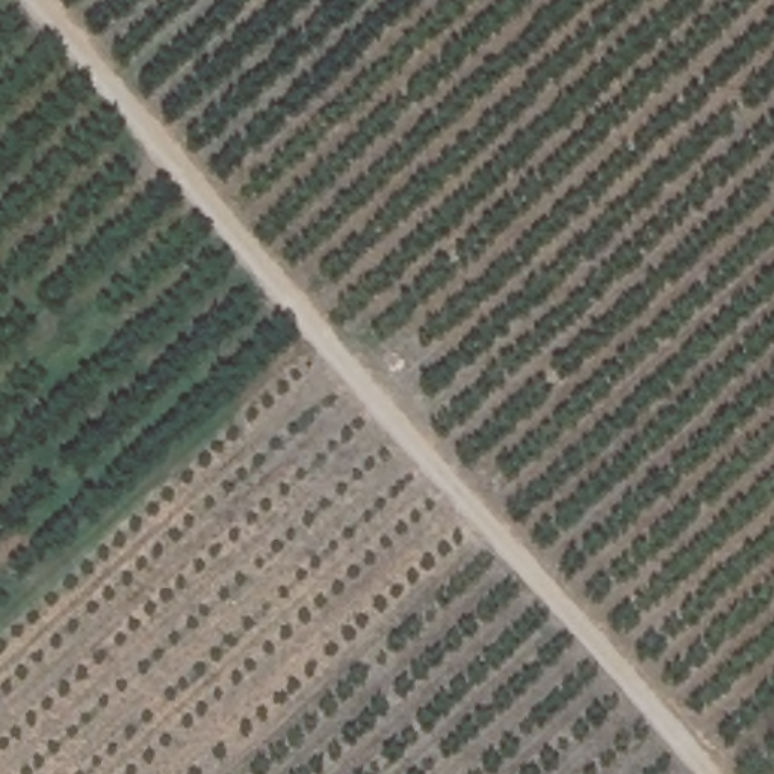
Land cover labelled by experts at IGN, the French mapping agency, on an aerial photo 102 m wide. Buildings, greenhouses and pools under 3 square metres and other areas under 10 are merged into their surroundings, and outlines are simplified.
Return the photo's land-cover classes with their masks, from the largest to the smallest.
<instances>
[{"label":"deciduous trees","instance_id":"1","mask_svg":"<svg viewBox=\"0 0 774 774\"><path fill-rule=\"evenodd\" d=\"M360 399L348 390V384L327 366L324 357H317L311 342L299 336L293 311L266 299L251 272L215 233L212 221L184 200L181 187L172 181L166 169H160L142 151V145L127 130V121L118 112V106L97 94L91 73L70 60L60 33L33 24L18 0H0V653L12 638H18L30 623L39 620V614L48 605L57 602V596L85 581L97 562L118 550L127 538H133L142 520L157 514L160 505L172 502L175 508H181L184 526H194L206 517L224 523H257L251 508L254 490H263L269 484L278 487L281 496H287L290 487L284 484V469H293L296 478L317 475L336 447H345L354 432L363 429L366 417ZM73 18H79L91 30L97 48L109 60H115V70L124 79V85L133 88L154 115H163L166 127L187 145L194 163L218 175L215 187L221 200L236 209L239 221L266 245L272 257L284 260L290 281L311 296L314 308L333 324L339 342L351 354L360 357L366 348H378L396 330H402L405 336H420V345H429L432 339L441 342L447 354L420 369V390L426 393V411L432 414L429 426L438 435V454L450 463L460 460V475L466 478L469 490L478 493L493 514L508 517L517 538L535 544L532 550L538 562L553 577H559L565 596H571L593 623L611 626L614 647L629 659L638 656L635 668L641 680L650 689H656L659 701L671 711L674 720L683 723L692 741L711 756V762L723 774H774V0H63ZM414 475H402L381 499H375L363 511L366 523L378 517L411 484ZM523 584L511 571V565L499 559L493 550H478L460 571L450 574L447 584L429 587L423 596H417L408 614L399 620V626L387 632V644L396 650L399 662V674L393 680L399 695L411 692V686L420 677L429 674V668H435L444 659V653L457 650L463 638L475 635L478 623L493 620L496 611L517 596ZM550 614L538 602L526 608L523 617L514 620L493 644H487L478 659H472L460 674H454L447 689H438L423 707H417L420 726L432 729L435 720L450 711V704H457L475 683H481L490 668L502 665ZM574 641V635L565 629L544 641L532 662H526L505 683H499L487 704H475V711L463 714L457 729L441 738V753L454 756L496 714L511 707V701L523 695L526 686L535 683L541 671L550 668L559 659V653ZM599 674V668L596 659H590L577 662V668L565 674L562 686L547 692V698L529 711V717L520 723L523 732H535L556 711H562ZM206 674L203 662H194L190 671H184L172 686H166L163 698L181 695ZM366 677V665L351 662L336 683L339 695L348 698L354 686ZM387 714L384 695L375 692L354 720L342 726L348 744L366 735L378 717ZM620 695V692L599 695L574 723V738L584 741L596 726L605 723V717L617 707ZM317 720L311 714H302L293 717V723L281 729L275 741H269L251 756L254 774H266L269 765L281 762L287 750L299 747L302 735L314 729ZM653 732L641 714L614 735V744L608 750H602L593 762L584 765V774H596V768H611L617 756L629 750V741H644ZM417 741L414 729L405 726L384 741L387 759H399L408 744ZM520 747L514 735L505 732L499 747L484 750L487 771H496ZM559 765V756L553 747L544 744L541 759L520 765V774H547Z\"/></svg>","mask_w":774,"mask_h":774},{"label":"plowed land","instance_id":"2","mask_svg":"<svg viewBox=\"0 0 774 774\"><path fill-rule=\"evenodd\" d=\"M402 475H414L411 484L378 517L366 523L363 511L375 499H381ZM284 484L290 487L287 496H281L278 487L269 484L263 490H254L251 508L257 523H224L206 517L194 526H184L181 508H175L172 502L160 505L157 514L142 520L133 538H127L118 550L97 562L85 581L57 596V602L48 605L39 614V620L30 623L18 638H12L0 653V774H254L251 756L269 741H275L281 729L293 723V717L302 714L311 695H320L327 683H336L351 662L366 665V677L375 683L381 677L393 680L399 674V662L396 650L387 644V632L399 626V620L408 614L417 596H423L429 587L447 584L450 574L460 571L478 550L463 541V514L450 505V499L435 502L438 487L417 472L414 460L393 444L381 423L366 417L363 429L354 432L345 447H336L317 475L296 478L293 469H284ZM194 662H203L206 674L181 695L163 698L166 686H172L184 671H190ZM674 756L665 747V741L653 732L644 741H629V750L617 756L611 768H596V774H665Z\"/></svg>","mask_w":774,"mask_h":774},{"label":"pervious surface","instance_id":"3","mask_svg":"<svg viewBox=\"0 0 774 774\"><path fill-rule=\"evenodd\" d=\"M33 24L60 33L70 60L91 73L97 94L118 106V112L127 121V130L142 145V151L160 169H166L172 181L181 187L184 200L212 221L215 233L251 272L266 299L293 311L299 336L311 342L317 357H324L327 366L348 384V390L360 399L366 417L381 423L393 444L414 460L417 472L438 487L435 502L450 499V505L463 514V541L478 550H493L499 559L511 565V571L523 584L538 596V602L565 629L574 635V641L584 644L590 659H596L599 668L617 683L620 692V695H626L641 714L653 732L665 741V747L674 756L665 774H723L711 762V756L692 741L683 723L674 720L671 711L659 701L656 689H650L641 680L635 668L638 656L629 659L614 647L611 626L593 623L571 596H565L559 577H553L538 562L532 550L535 544L517 538L508 517L493 514L478 493L469 490L466 478L460 475V460L450 463L438 454V435L429 426L432 414L426 411V393L420 390V369L447 354L441 342L432 339L429 345H420V336H405L402 330H396L378 348H366L360 357L351 354L339 342L333 324L314 308L311 296L290 281L284 260L272 257L266 245L239 221L236 209L221 200L215 187L218 175L194 163L187 145L166 127L163 115H154L133 88L124 85V79L115 70V60H109L97 48L91 30L79 18H73L63 0H18Z\"/></svg>","mask_w":774,"mask_h":774},{"label":"herbaceous vegetation","instance_id":"4","mask_svg":"<svg viewBox=\"0 0 774 774\"><path fill-rule=\"evenodd\" d=\"M538 602V596L523 584L517 596L496 611L493 620L478 623L475 635L463 638L457 650L444 653V659L435 668H429V674L420 677L411 686V692L399 695L393 680L381 677L375 683L366 677L354 686L348 698L339 695L336 683H327L320 695H311L302 714H311L317 720L314 729L302 735L299 747L287 750L281 762L269 765L266 774H520V765L541 759L544 744L553 747L559 756V765L547 774H584V765L593 762L602 750H608L614 744V735L641 714L626 695H620L617 707L605 717V723L596 726L584 741L574 738V723L599 695L620 692L617 683L599 668V674L562 711H556L535 732H523L520 723L529 717V711L547 698V692L562 686L565 674L577 668V662L590 659L584 644L574 641L559 653V659L550 668L541 671L535 683L526 686L523 695L511 701V707L496 714L454 756L441 753V738L457 729L463 714L475 711V704H487L499 683H505L526 662H532L544 641L565 629L550 614L502 665L490 668L481 683H475L457 704H450V711L435 720L432 729L420 726L417 707H423L438 689H447L454 674H460L472 659H478L487 644H493L514 620L523 617L526 608ZM375 692L384 695L387 714L378 717L366 735L348 744L342 726L354 720ZM405 726L414 729L417 741L408 744L399 759H387L384 741ZM505 732L514 735L520 747L496 771H487L484 750L499 747Z\"/></svg>","mask_w":774,"mask_h":774}]
</instances>
